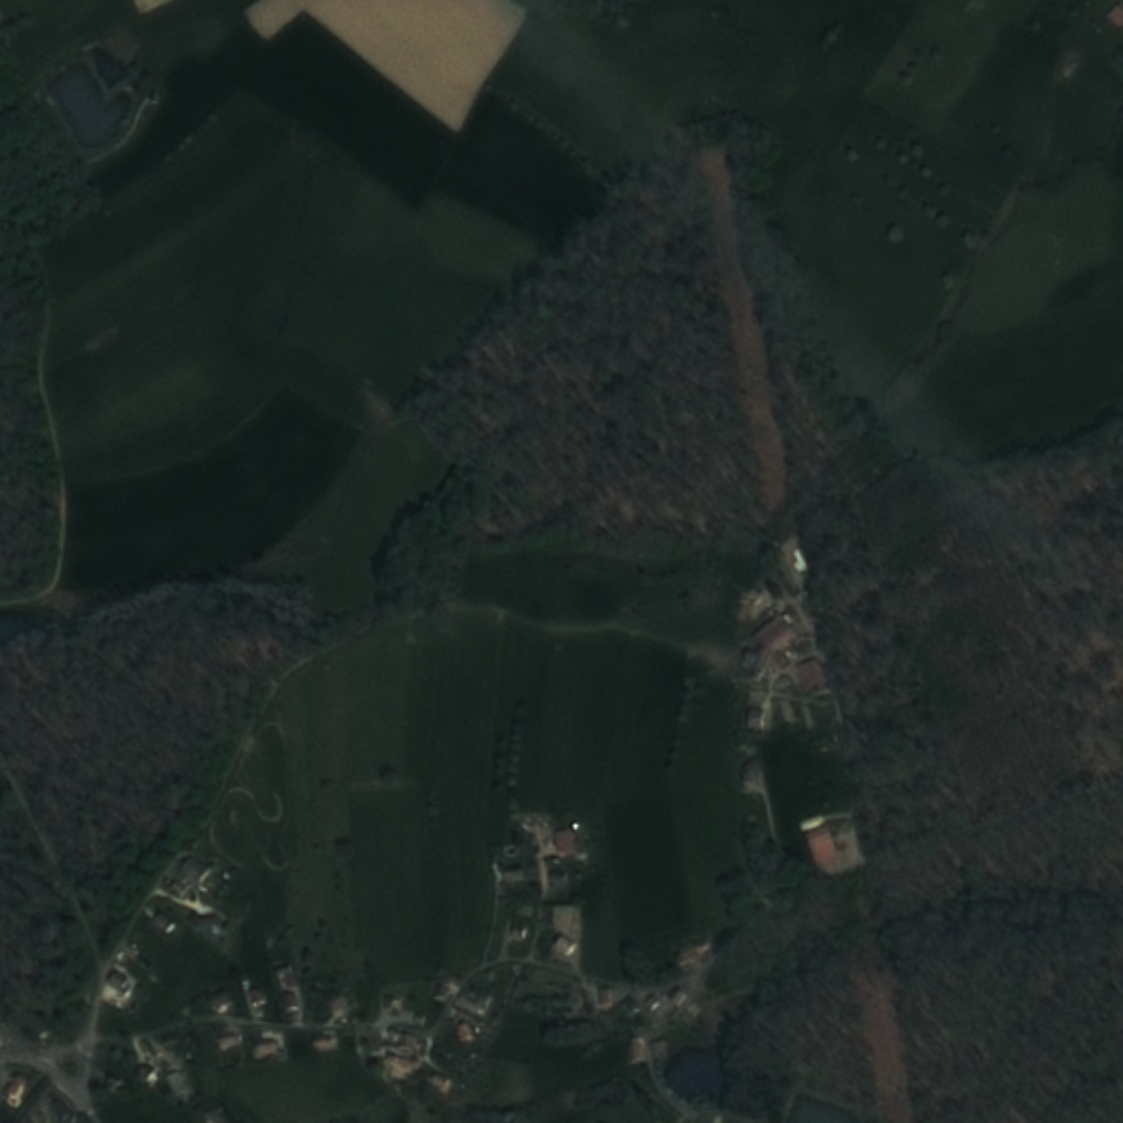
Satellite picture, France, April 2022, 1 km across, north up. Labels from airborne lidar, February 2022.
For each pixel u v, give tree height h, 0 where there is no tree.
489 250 0
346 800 0
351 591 0
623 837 0
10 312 25
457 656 0
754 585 0
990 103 0
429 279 0
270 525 0
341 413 0
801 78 0
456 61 0
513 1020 0
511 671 0
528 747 0
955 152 0
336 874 0
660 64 0
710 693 0
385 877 0
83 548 0
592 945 0
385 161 0
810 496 29
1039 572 17
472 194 0
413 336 0
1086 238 0
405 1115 0
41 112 14
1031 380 0
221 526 0
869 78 0
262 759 0
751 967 30
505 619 0
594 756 0
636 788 0
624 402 30
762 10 0
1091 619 31
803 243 0
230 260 0
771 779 0
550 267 26
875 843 21
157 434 0
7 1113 8
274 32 0
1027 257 0
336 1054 0
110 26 0
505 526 26
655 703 0
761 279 31
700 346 29
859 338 0
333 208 0
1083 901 28
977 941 25
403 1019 0
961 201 0
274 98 0
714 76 0
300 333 0
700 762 0
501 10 0
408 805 0
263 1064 0
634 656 0
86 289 0
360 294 0
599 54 0
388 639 0
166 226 0
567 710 0
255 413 0
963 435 0
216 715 28
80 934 28
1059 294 0
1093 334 0
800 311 20
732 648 0
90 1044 0
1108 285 0
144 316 0
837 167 0
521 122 0
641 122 0
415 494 0
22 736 31
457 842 0
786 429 29
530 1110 14
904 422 0
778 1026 27
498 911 0
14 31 13
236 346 0
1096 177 0
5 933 27
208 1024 0
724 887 14
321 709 0
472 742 0
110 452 0
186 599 27
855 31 0
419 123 0
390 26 0
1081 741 30
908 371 11
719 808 0
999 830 25
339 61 0
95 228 0
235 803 0
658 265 32
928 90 0
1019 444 0
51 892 29
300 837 0
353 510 0
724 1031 0
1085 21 0
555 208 0
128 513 0
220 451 0
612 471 31
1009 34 0
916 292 0
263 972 0
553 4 25
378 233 0
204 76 0
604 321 33
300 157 0
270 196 0
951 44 0
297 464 0
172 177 0
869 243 0
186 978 0
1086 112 0
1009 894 28
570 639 0
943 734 31
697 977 0
